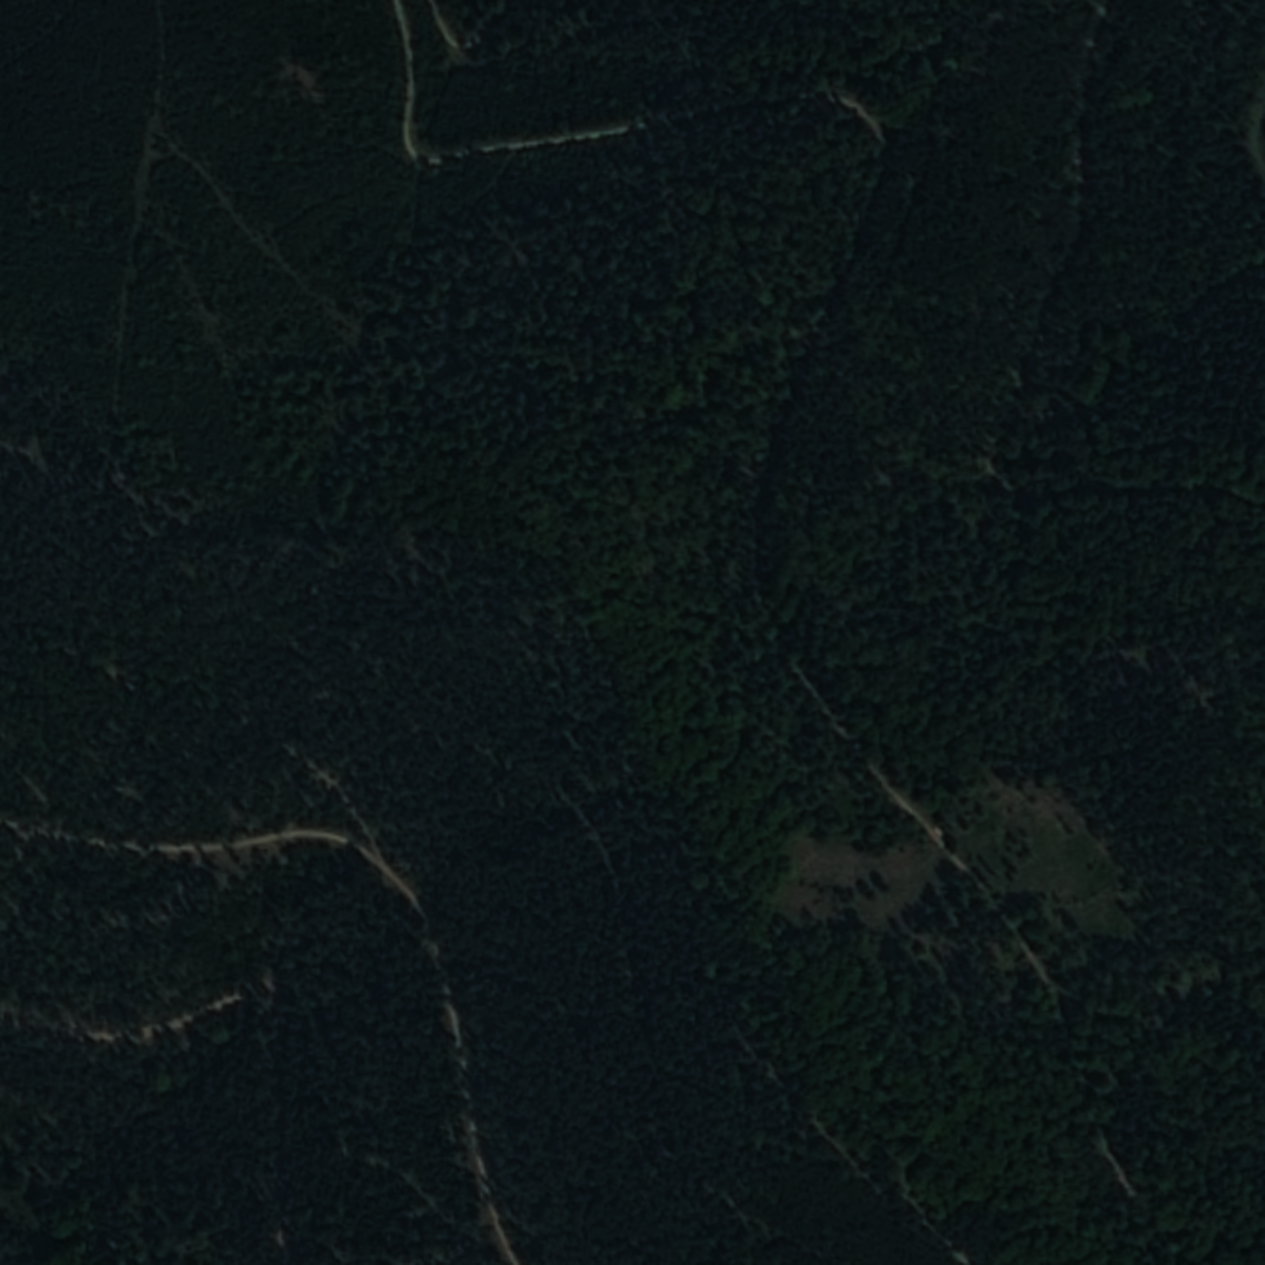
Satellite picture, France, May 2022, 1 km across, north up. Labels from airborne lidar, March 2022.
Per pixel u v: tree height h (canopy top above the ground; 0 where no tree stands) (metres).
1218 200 28
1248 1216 18
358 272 12
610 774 13
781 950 25
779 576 28
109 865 32
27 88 9
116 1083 31
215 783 38
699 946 32
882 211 23
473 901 8
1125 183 30
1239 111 32
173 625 22
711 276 28
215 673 28
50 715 28
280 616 31
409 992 29
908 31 28
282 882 9
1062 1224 21
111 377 8
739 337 29
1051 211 14
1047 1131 29
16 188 9
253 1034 28
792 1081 23
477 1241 27
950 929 34
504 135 14
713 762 21
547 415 35
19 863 31
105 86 9
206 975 7
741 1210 12
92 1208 35
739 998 21
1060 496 29
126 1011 30
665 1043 25
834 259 23
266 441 13
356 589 16
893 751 29
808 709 20
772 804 25
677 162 28
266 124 8
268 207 9
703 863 29
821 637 29
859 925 25
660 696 28
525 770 28
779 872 22
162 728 30
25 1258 35
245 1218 30
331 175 11
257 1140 27
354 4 11
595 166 8
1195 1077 25
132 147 9
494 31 15
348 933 34
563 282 31
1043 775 29
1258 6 32
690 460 24
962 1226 10
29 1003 24
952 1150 27
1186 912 30
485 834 15
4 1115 6
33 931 30
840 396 30
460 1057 29
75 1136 39
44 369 8
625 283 28
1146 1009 30
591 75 9
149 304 8
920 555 27
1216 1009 28
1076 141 11
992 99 17
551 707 24
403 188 6
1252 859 30
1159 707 26
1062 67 16
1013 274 19
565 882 24
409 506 26
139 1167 27
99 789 27
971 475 19
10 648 30
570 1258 32
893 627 22
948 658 27
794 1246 14
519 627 28
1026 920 28
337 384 10
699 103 29
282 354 11
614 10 11
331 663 32
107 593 21
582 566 29
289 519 6
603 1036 30
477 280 10
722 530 24
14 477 29
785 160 28
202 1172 27
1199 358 30
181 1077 28
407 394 25
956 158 14
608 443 30
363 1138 38
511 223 8
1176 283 28
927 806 15
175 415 6
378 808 30
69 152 11
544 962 31
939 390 24
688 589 28
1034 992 26
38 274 8
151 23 10
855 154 21
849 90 10
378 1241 9
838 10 33
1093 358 30
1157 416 24
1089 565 29
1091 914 0
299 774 39
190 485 6
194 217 10
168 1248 30
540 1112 32
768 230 28
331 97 7
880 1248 17
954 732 23
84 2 8
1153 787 25
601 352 33
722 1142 28
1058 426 34
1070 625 32
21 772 25
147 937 32
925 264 19
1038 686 25
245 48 8
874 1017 25
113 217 11
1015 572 27
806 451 21
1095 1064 25
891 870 0
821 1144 19
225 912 13
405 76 10
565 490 28
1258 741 19
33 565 25
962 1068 26
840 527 26
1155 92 29
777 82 34
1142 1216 22
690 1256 27
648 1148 26
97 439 8
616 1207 27
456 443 29
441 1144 10
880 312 24
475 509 28
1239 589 26
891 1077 28
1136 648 25
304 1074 23
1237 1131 25
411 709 29
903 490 28
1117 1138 27
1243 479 27
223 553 21
